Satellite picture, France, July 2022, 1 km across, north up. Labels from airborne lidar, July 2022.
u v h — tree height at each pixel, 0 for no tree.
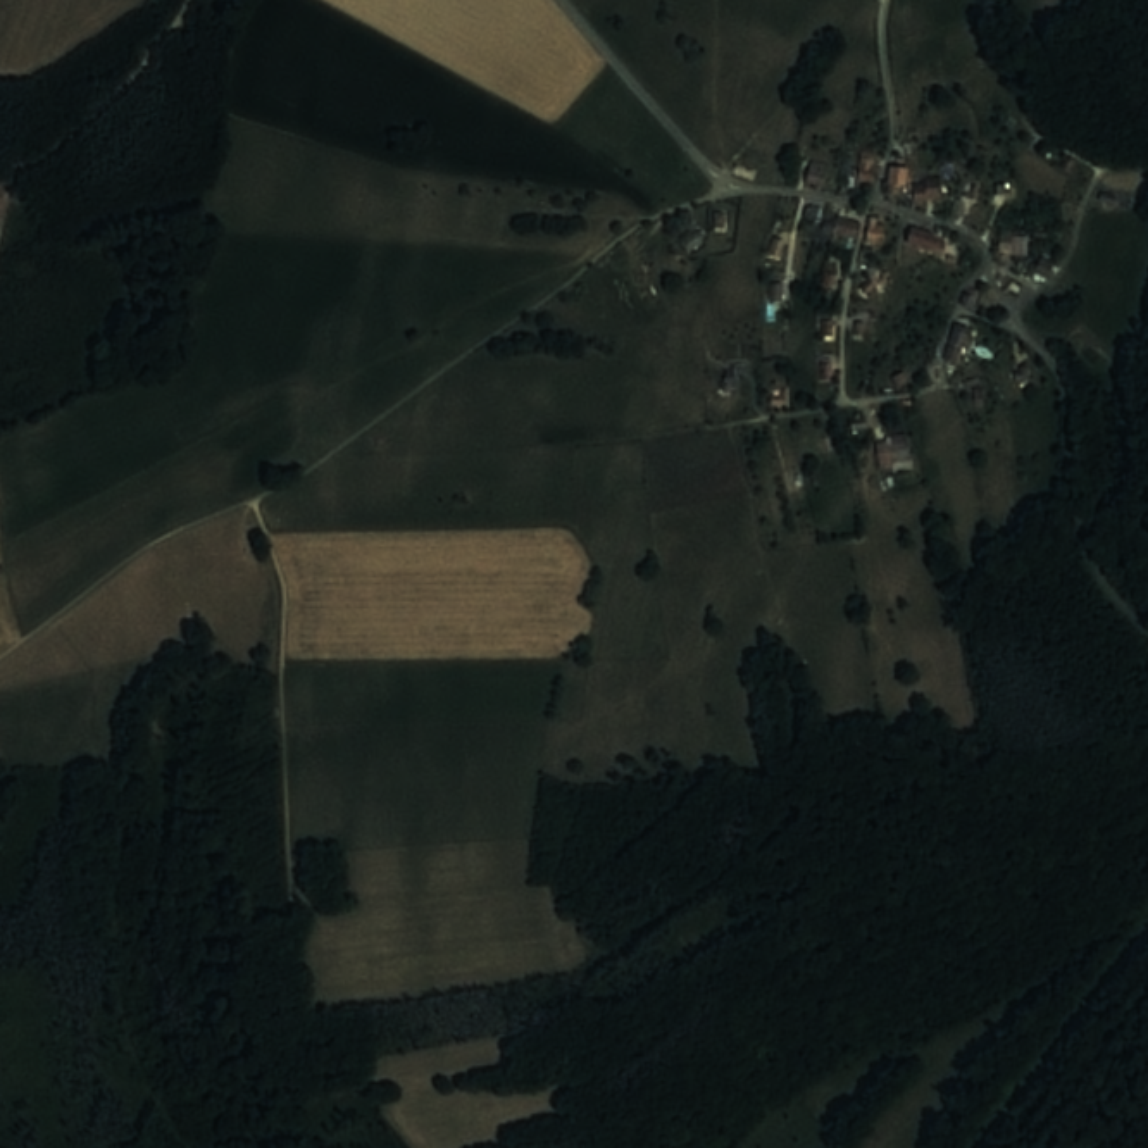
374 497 0
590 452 0
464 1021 17
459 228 0
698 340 0
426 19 0
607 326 0
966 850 26
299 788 0
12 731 0
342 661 0
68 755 0
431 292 0
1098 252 0
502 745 0
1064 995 21
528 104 0
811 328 0
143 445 0
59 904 12
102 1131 16
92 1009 17
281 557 0
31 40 0
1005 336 7
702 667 0
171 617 0
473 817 0
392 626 0
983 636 15
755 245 0
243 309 0
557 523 0
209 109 18
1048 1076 20
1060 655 18
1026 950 22
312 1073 20
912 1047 14
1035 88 29
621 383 0
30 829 0
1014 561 32
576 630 0
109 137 16
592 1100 22
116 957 21
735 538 0
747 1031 21
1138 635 20
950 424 0
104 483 0
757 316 0
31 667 0
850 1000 22
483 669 0
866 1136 17
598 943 11
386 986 0
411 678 0
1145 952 31
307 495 0
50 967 16
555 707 13
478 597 0
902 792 28
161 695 27
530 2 0
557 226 11
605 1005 19
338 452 0
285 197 0
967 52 0
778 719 25
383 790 0
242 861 7
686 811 21
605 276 0
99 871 23
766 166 0
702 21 0
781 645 17
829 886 29
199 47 11
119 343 28
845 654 0
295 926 19
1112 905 22
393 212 0
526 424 0
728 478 0
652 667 0
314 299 0
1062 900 24
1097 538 24
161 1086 7
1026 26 28
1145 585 23
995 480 0
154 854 22
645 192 0
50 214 12
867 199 10
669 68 0
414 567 0
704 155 0
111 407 0
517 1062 23
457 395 0
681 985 24
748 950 26
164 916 26
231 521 0
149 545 0
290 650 0
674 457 0
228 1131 15
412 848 0
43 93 13
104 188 15
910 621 0
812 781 29
